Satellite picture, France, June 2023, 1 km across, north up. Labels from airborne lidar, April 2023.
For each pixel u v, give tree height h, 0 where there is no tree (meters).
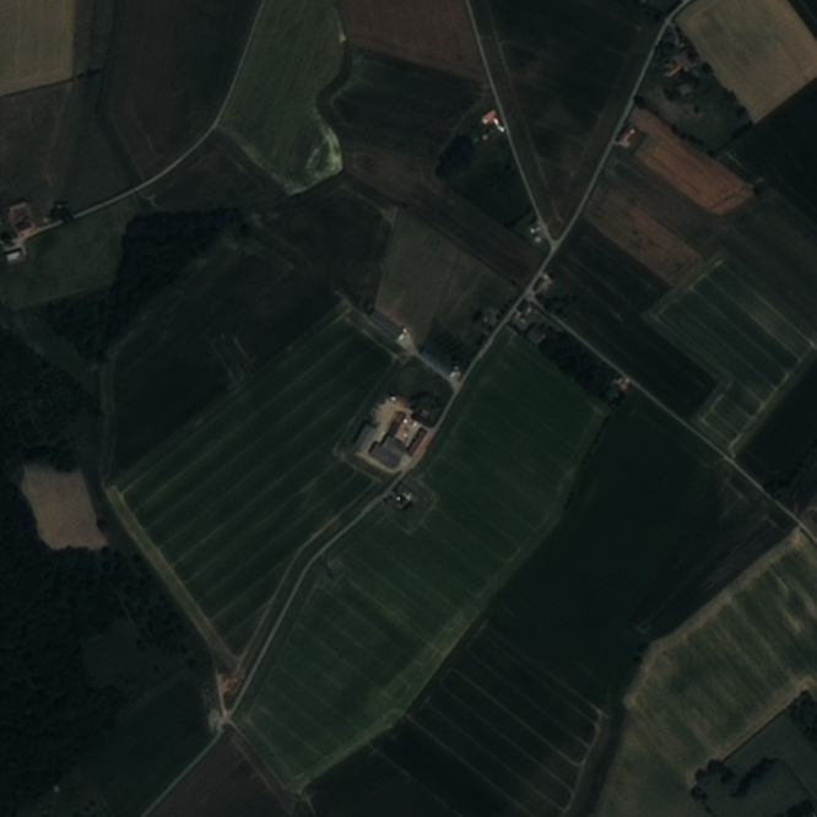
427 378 0
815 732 9
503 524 0
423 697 0
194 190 0
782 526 0
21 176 0
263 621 0
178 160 0
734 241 0
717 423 0
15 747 21
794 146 0
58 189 0
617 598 0
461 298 0
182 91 0
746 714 0
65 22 0
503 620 0
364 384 0
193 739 0
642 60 0
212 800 0
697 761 0
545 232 0
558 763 0
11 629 20
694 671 0
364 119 0
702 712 0
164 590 0
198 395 0
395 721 0
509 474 0
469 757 0
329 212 0
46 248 0
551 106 0
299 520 0
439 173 8
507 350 0
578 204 0
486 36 0
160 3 0
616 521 0
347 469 0
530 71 0
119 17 0
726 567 0
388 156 0
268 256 0
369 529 0
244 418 0
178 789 0
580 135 0
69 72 0
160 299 0
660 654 0
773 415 0
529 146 0
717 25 0
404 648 0
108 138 0
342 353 0
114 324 13
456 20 0
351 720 0
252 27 0
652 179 0
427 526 0
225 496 0
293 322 0
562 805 0
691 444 0
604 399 8
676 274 0
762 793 0
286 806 0
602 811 0
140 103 0
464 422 0
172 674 0
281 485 0
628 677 0
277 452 0
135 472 0
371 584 0
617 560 0
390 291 0
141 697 0
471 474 0
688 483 0
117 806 0
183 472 0
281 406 0
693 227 0
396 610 0
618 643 0
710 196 0
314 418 0
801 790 0
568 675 0
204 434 0
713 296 0
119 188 0
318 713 0
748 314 0
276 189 0
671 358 0
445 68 0
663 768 0
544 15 0
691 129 0
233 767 0
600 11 0
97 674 0
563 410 0
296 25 0
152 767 0
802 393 0
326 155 0
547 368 0
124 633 0
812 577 0
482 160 0
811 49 0
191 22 0
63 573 16
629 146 0
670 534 0
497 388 0
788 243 0
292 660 0
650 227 0
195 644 0
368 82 0
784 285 0
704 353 0
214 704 0
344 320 0
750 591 0
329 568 0
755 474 0
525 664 0
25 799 18
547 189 0
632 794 0
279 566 0
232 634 0
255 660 0
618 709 0
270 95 0
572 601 0
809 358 0
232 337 0
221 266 0
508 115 0
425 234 0
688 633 0
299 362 0
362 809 0
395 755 0
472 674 0
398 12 0
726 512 0
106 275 0
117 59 0
